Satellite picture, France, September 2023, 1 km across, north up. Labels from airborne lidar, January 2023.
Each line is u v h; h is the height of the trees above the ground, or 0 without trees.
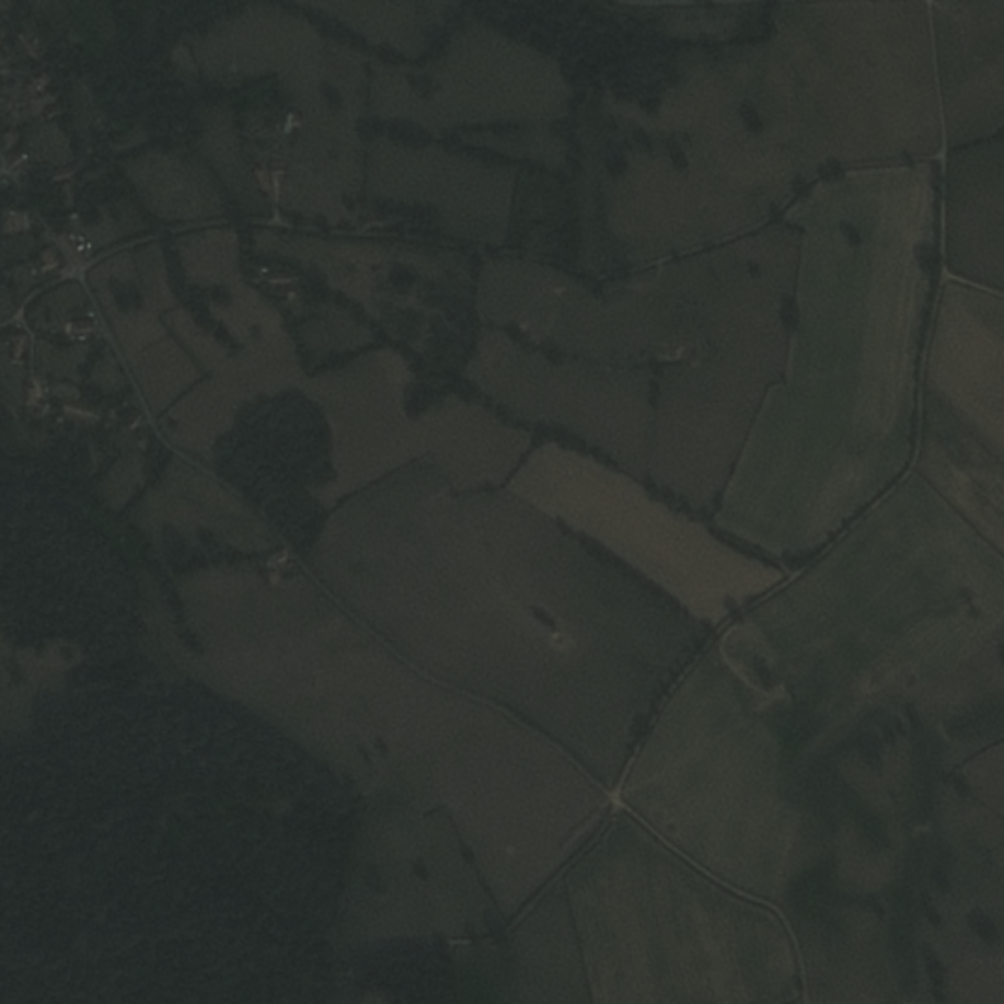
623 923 0
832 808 0
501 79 0
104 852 22
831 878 0
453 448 0
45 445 0
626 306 0
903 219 0
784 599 0
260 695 0
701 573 0
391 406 0
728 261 0
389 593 0
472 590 0
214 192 0
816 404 0
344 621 0
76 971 18
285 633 0
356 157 0
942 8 0
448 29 16
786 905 0
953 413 0
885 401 0
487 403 10
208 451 0
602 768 0
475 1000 0
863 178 0
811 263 0
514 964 0
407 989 18
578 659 0
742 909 0
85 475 0
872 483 0
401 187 0
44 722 19
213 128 0
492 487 6
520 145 0
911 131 0
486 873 0
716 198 0
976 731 0
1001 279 0
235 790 18
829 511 0
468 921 0
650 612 0
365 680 0
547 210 0
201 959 29
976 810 0
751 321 0
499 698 0
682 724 0
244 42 0
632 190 0
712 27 0
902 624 0
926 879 0
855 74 0
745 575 0
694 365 9
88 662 6
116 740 28
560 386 0
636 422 0
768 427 0
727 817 0
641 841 0
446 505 0
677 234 0
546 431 12
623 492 0
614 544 0
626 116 0
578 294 0
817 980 0
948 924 0
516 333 13
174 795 17
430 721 0
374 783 0
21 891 13
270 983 28
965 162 0
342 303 12
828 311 0
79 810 21
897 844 0
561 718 0
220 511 0
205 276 0
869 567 0
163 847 16
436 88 14
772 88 0
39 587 10
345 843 18
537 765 0
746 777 0
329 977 28
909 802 0
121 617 26
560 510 0
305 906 22
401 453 0
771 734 0
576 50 17
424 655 0
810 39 0
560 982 0
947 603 0
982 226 0
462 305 12
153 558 6
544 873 0
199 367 0
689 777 0
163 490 0
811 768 0
